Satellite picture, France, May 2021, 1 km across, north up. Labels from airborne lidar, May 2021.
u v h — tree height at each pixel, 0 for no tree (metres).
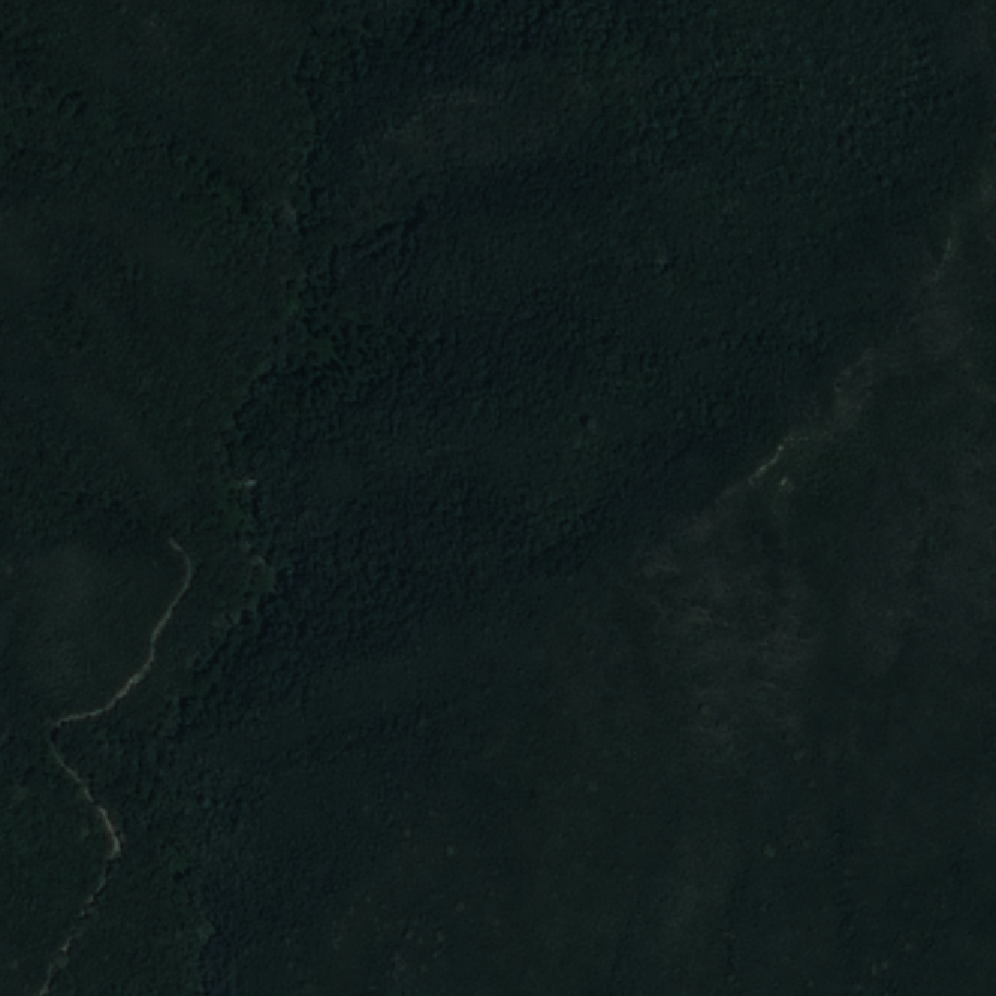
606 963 7
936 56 7
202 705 7
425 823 9
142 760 16
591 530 16
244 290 23
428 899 8
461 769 6
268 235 10
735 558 6
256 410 7
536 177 19
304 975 6
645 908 6
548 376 14
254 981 6
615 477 11
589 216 12
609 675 7
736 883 8
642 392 8
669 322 9
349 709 9
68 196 9
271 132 14
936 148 6
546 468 10
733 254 10
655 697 7
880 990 7
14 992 7
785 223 8
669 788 6
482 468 12
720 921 7
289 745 8
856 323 8
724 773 6
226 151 12
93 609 6
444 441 10
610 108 16
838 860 13
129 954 8
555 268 10
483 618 6
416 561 14
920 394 6
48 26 8
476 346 18
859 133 17
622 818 6
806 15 7
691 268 14
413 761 8
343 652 11
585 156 17
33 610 10
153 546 19
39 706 15
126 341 13
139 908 12
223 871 10
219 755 10
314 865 9
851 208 7
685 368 9
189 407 11
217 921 14
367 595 14
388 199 15
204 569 16
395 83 18
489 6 18
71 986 14
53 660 8
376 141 12
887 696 5
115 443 7
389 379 17
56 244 14
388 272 19
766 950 8
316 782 7
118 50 9
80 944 14
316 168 22
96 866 12
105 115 18
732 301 9
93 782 17
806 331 11
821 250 11
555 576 12
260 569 15
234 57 17
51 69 21
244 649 19
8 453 14
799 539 6
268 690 13
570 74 9
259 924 11
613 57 17
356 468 8
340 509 12
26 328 9
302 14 25
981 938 6
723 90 12
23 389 9
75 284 18
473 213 18
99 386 8
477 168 13
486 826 9
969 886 7
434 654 5
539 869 6
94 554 7
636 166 12
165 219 13
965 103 6
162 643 9
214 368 14
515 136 9
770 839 8
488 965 6
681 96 7
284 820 9
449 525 13
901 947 7
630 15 16
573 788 7
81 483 18
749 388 8
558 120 8
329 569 9
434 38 20
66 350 11
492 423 10
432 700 9
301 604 18
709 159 10
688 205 10
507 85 6
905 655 7
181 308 15
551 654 7
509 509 14
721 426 11
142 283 10
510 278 9
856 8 8
